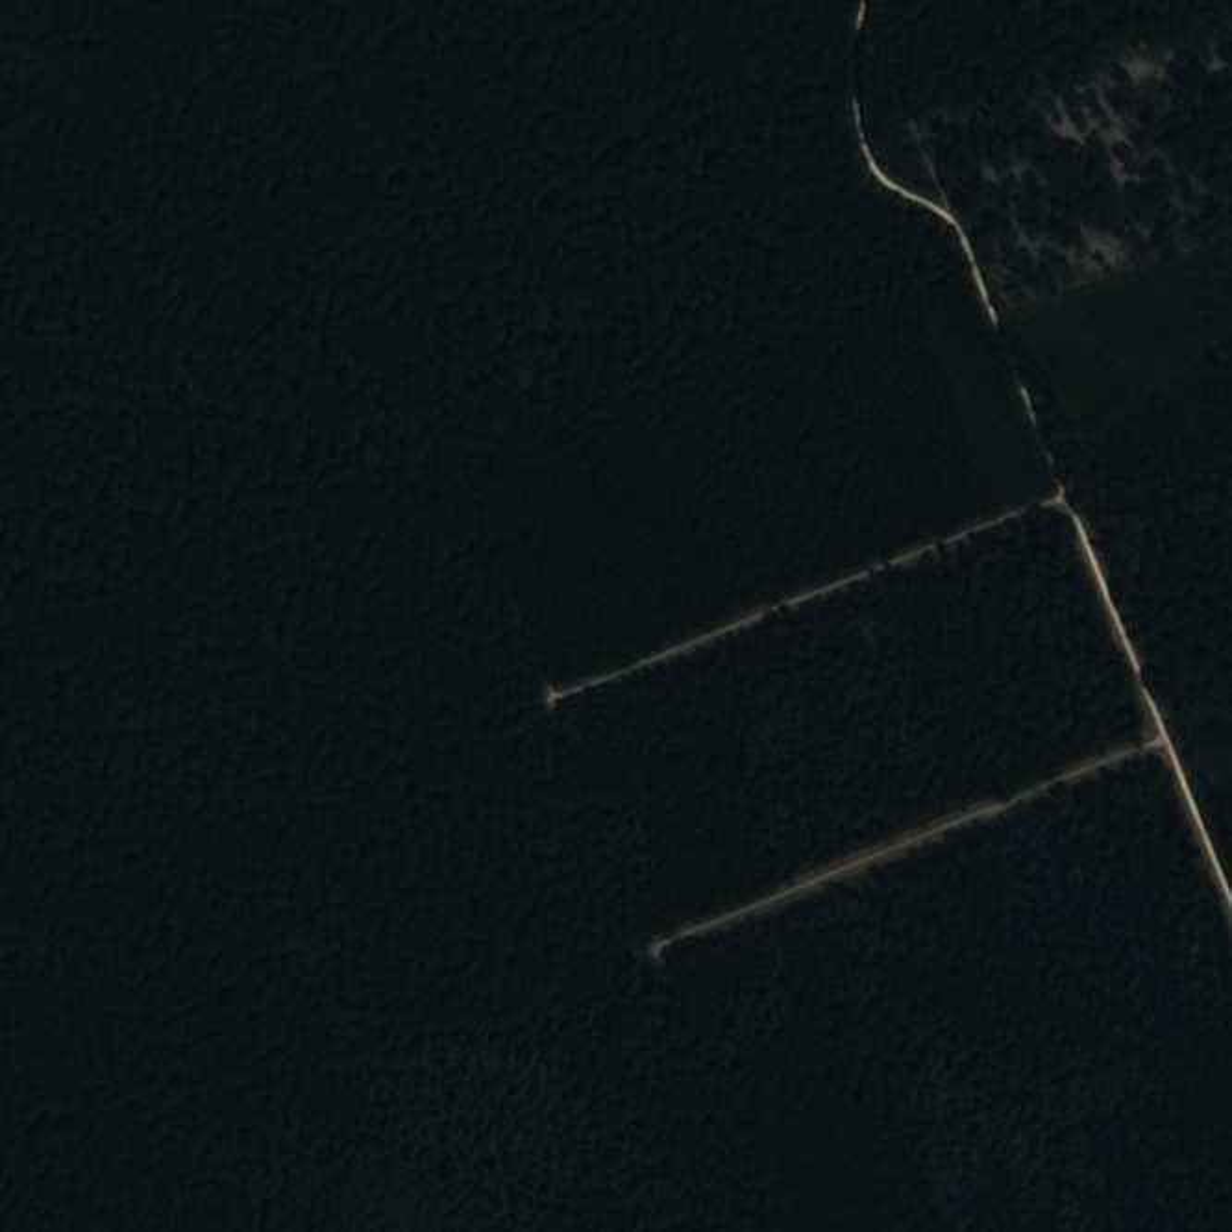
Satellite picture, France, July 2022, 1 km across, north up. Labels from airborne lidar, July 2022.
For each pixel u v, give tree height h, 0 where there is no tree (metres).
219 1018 25
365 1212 16
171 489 20
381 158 22
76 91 15
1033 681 21
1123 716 21
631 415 13
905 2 21
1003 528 10
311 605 17
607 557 12
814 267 24
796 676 20
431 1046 20
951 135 19
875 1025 26
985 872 27
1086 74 24
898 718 29
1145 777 26
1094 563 0
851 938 22
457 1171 17
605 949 24
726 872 20
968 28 21
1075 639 23
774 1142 29
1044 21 26
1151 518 22
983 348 20
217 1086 21
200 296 17
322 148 19
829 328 13
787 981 19
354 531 25
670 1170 25
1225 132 26
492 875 27
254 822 29
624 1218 27
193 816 30
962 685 22
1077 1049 24
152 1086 19
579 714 19
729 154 21
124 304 22
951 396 18
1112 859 23
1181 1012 21
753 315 18
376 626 24
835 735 17
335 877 25
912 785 21
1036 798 0
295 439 26
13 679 21
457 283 24
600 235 25
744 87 22
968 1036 29
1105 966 14
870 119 12
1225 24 25
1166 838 25
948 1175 20
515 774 22
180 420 26
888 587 24
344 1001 23
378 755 18
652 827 22
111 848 27
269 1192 18
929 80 20
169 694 14
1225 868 8
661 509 15
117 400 20
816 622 19
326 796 20
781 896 0
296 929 21
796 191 25
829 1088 26
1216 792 20
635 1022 29
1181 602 22
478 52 19
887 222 23
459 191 18
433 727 25
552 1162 27
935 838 0
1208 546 26
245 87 20
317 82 25
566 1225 21
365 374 25
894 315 21
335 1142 10
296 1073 20
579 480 17
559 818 18
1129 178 0
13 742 23
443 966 26
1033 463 22
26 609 27
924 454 20
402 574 22
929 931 25
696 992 19
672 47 22
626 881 24
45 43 17
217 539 27
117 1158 17
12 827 23
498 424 22
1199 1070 28
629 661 12
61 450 19
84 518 22
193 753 18
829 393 14
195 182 22
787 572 18
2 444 24
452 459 26
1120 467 7
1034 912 20
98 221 16
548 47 22
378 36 17
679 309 24
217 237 18
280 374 27
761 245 20
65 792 26
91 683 23
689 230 24
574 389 15
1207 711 7
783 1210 27
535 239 27
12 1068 17
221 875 23
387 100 21
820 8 20
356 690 22
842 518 19
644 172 24
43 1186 17
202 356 23
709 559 16
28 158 24
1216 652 24
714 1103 26
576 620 17
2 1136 16
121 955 25
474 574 17
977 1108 28
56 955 16
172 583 20
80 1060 22
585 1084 21
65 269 19
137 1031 25
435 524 21
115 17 20
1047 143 24
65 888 28
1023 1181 27
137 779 21
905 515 21
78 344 19
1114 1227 18
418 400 22
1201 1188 28
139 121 19
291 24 18
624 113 25
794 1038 24
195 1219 27
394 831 13
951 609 23
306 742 23
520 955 25
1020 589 17
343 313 28
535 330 23
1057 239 20
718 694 26
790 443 20
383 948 23
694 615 18
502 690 22
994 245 16
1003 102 23
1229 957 23
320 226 24
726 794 19
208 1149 21
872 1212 28
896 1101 24
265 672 17
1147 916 16
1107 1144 17
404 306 25
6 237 22
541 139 23
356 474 27
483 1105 25
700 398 20
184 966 21
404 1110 24
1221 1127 23
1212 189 23
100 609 26
